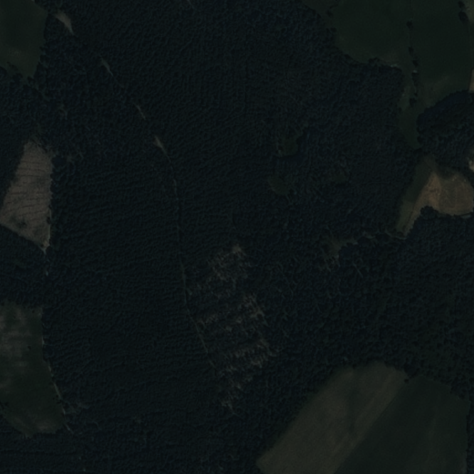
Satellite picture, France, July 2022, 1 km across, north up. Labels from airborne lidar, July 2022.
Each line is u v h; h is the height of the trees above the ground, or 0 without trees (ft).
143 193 85
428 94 0
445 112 106
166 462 62
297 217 68
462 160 50
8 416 0
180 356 73
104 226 64
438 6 0
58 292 74
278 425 71
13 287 83
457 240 54
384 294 69
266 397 70
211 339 50
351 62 22
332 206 87
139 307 66
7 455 53
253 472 59
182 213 70
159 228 71
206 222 67
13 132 88
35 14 0
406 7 0
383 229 55
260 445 81
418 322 31
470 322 49
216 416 84
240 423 73
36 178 0
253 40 93
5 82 86
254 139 71
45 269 25
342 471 0
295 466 0
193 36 65
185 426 79
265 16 88
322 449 0
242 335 61
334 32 46
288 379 76
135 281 85
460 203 0
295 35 78
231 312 58
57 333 83
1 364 0
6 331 0
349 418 0
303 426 0
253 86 67
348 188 47
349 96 93
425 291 60
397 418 0
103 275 94
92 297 80
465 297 48
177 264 85
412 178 63
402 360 62
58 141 99
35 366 0
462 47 0
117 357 82
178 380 58
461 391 33
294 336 94
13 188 0
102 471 57
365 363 50
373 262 65
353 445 0
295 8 105
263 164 87
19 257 75
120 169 79
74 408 75
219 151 90
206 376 63
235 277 47
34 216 0
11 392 0
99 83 83
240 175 83
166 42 76
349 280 89
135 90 77
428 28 0
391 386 0
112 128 68
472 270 35
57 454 59
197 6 65
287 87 64
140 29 77
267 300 84
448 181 0
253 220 86
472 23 0
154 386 60
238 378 64
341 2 54
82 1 78
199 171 79
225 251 64
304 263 59
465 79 0
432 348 23
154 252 78
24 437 37
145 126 77
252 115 64
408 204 0
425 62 0
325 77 39
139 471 74
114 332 76
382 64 0
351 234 84
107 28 56
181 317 76
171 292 71
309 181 106
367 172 54
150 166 74
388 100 53
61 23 44
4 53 0
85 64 78
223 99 81
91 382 47
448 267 53
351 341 71
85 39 64
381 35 0
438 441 0
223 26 94
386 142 52
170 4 81
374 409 0
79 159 68
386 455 0
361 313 81
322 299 98
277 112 80
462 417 0
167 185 77
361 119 63
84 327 62
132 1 62
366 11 0
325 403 0
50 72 51
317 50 63
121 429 73
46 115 99
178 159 72
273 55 67
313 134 111
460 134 53
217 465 83
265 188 84
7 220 0
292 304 90
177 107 70
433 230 46
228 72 72
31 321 0
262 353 46
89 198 79
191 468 62
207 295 40
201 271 77
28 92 96
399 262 80
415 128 0
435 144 50
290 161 93
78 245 85
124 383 52
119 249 73
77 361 82
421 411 0
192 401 60
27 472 76
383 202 59
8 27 0
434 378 19
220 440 64
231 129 73
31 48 0
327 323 93
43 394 0
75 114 88
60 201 83
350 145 52
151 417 72
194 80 71
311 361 95
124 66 72
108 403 56
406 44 0
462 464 0
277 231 86
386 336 63
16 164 92
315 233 102
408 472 0
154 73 79
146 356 81
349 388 0
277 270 56
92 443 48
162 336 64
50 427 0
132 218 74
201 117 91
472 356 71
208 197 72
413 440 0
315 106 88
